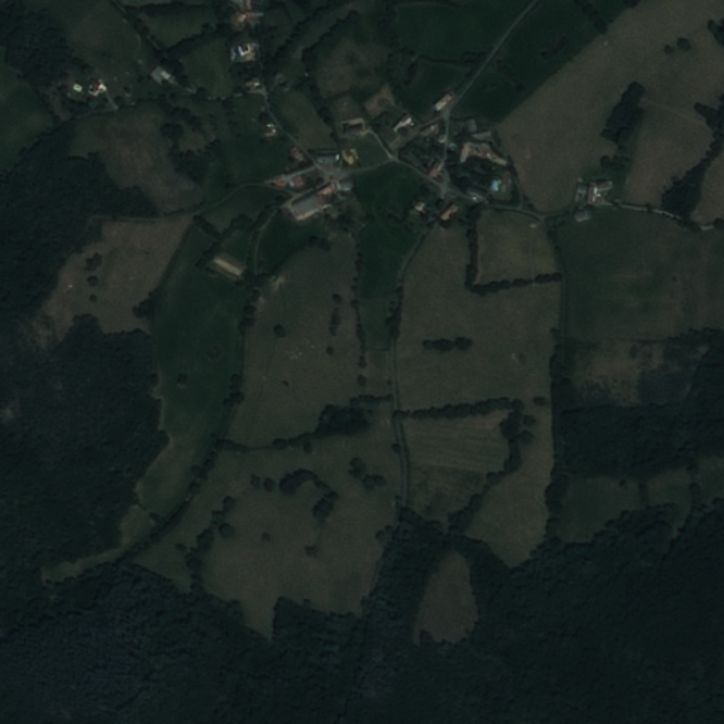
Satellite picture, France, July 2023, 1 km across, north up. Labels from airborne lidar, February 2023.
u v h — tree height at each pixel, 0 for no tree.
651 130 0
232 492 0
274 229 0
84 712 20
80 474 16
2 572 16
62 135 11
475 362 0
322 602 0
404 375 0
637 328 0
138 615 21
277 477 0
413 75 9
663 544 20
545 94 0
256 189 0
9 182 8
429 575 14
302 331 0
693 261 0
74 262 0
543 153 0
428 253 0
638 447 16
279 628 17
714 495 0
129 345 17
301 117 0
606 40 0
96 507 11
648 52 0
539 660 12
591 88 0
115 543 16
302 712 18
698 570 16
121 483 19
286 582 0
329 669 19
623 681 11
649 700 13
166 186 0
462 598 0
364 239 0
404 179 0
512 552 0
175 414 0
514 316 0
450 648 14
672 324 0
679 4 0
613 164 7
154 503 0
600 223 0
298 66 0
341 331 0
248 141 0
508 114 0
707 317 0
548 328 0
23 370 6
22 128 0
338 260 0
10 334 8
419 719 13
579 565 17
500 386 0
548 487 0
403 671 20
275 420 0
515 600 19
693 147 0
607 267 0
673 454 11
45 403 9
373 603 11
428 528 14
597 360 0
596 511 0
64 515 9
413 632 15
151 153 0
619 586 18
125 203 9
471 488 0
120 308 0
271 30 6
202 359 0
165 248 0
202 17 0
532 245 0
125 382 11
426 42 0
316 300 0
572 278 0
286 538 0
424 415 11
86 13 0
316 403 0
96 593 15
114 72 0
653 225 0
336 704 19
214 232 14
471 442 0
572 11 0
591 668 15
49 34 11
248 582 0
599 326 0
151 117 0
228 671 22
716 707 14
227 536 13
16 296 7
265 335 0
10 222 14
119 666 23
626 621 17
